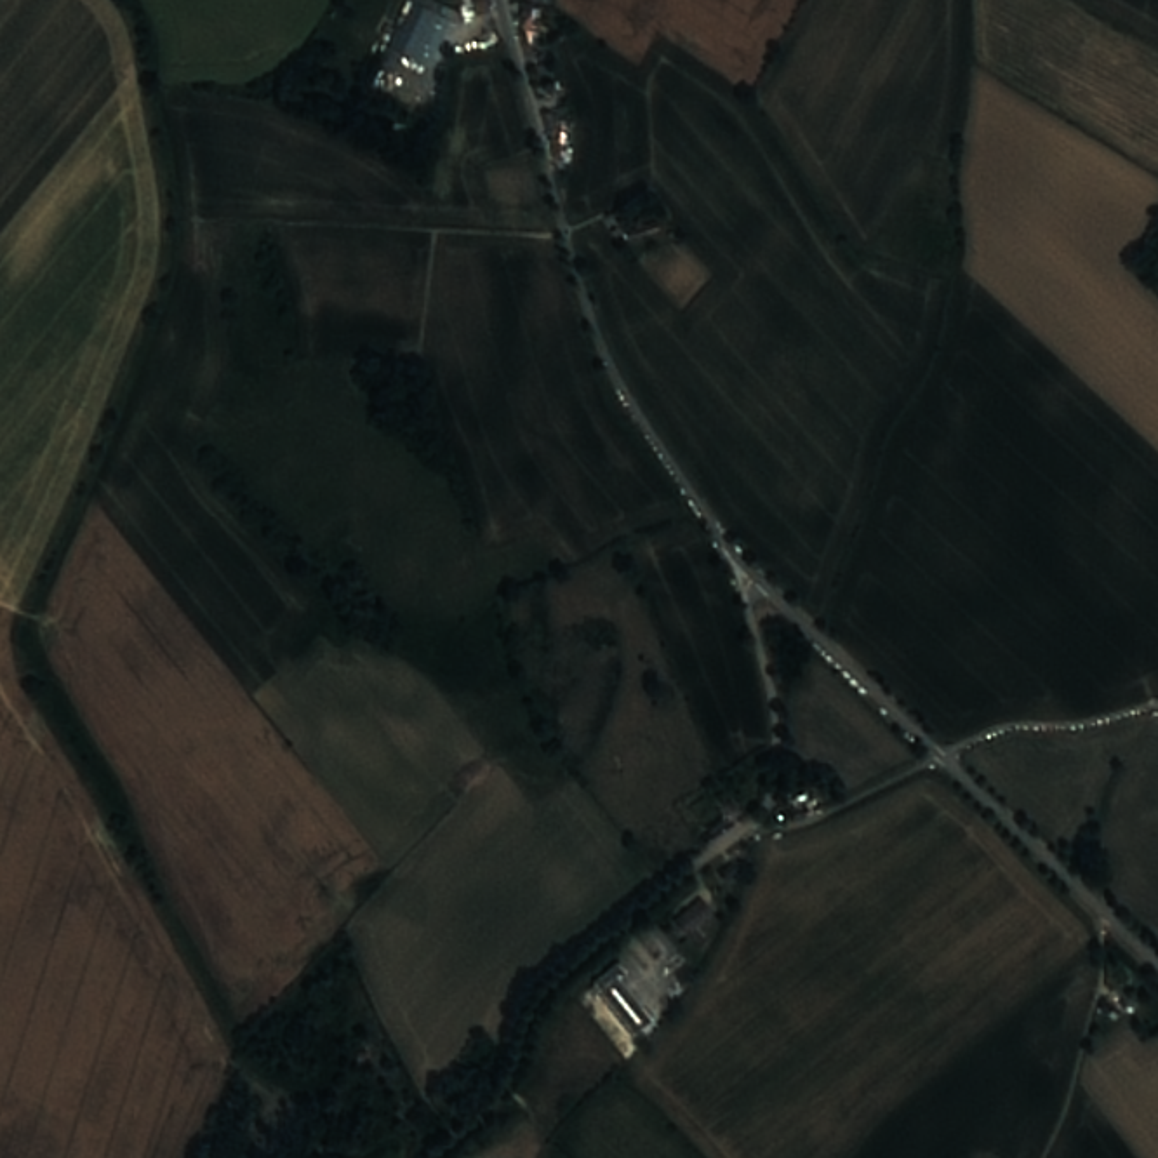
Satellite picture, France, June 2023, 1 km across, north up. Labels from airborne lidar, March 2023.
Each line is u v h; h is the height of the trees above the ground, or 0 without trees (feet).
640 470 0
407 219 0
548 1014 65
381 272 0
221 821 0
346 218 0
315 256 0
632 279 0
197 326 0
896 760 0
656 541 0
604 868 0
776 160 0
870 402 0
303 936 0
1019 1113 0
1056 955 0
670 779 0
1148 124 0
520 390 0
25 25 0
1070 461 0
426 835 0
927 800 0
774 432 0
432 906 0
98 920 0
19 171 0
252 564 0
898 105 0
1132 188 0
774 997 0
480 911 0
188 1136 0
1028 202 0
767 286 0
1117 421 0
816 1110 0
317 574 35
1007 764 0
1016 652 0
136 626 0
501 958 0
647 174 0
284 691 0
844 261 0
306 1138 69
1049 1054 0
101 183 0
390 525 0
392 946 0
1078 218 0
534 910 0
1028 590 0
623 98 0
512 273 0
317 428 0
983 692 0
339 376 0
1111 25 0
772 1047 0
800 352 0
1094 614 0
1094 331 0
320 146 0
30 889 0
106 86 0
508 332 0
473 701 0
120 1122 0
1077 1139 0
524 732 0
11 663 0
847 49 0
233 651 0
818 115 0
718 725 0
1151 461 0
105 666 0
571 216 0
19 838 0
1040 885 0
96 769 0
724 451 0
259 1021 31
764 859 0
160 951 0
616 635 0
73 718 0
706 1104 0
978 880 0
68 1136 0
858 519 0
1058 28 0
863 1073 0
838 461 0
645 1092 0
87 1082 0
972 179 0
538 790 0
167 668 0
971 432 0
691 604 0
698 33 0
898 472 0
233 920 0
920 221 0
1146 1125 0
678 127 0
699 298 0
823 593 0
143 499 0
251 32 0
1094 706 0
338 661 0
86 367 0
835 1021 0
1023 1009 0
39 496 0
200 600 0
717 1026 0
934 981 0
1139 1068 0
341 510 0
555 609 0
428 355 0
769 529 0
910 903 0
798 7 22
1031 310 0
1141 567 0
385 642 77
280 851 0
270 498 0
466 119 0
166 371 0
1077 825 0
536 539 0
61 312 0
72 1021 0
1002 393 0
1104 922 0
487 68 0
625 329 0
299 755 0
